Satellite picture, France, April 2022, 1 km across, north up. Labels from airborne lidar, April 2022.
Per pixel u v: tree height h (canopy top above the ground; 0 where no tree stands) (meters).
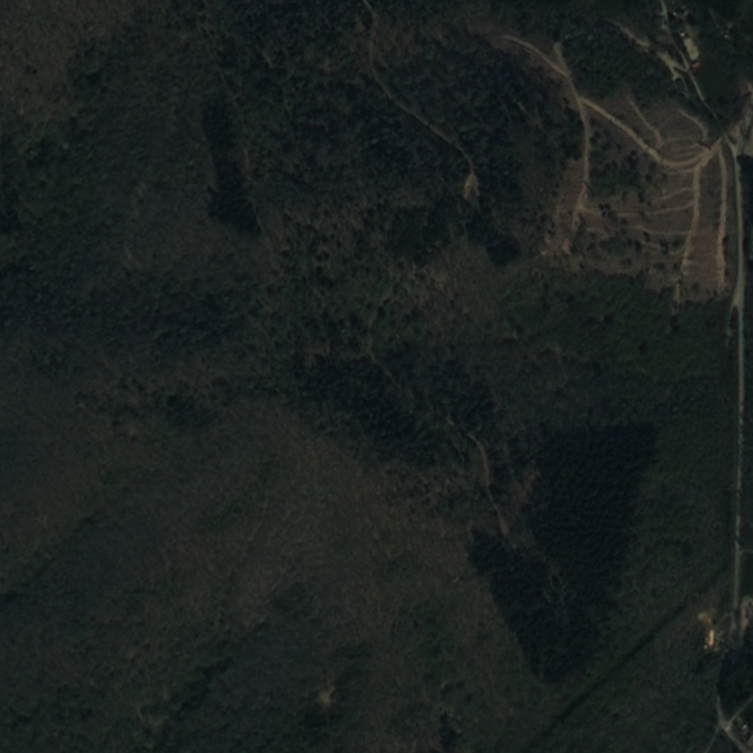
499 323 11
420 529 16
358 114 25
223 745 20
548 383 27
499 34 0
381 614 12
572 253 17
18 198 34
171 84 12
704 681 15
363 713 14
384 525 14
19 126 19
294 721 12
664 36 9
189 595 16
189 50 17
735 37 12
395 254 18
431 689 24
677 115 0
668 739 19
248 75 16
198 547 12
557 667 31
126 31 18
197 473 12
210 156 21
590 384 26
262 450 12
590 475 36
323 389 23
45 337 15
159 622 13
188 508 8
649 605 17
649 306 14
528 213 20
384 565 13
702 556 14
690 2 19
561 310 14
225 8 19
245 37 22
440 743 25
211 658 20
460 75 9
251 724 12
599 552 35
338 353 19
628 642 23
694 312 15
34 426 12
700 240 0
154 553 19
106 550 16
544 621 26
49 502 23
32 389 13
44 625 17
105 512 19
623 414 15
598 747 18
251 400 11
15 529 19
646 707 13
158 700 16
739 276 0
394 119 29
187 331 24
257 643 17
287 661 11
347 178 20
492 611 14
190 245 13
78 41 17
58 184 18
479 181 0
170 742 18
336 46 22
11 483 20
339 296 20
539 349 20
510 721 17
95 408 16
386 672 11
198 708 16
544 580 22
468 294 22
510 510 22
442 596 17
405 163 19
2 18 12
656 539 14
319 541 9
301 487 11
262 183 18
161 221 7
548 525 31
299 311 24
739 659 26
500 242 34
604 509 37
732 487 10
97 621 10
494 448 27
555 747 16
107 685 12
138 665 16
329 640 8
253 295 20
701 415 9
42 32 13
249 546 10
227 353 16
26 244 24
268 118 20
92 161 19
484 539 26
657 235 0
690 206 0
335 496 10
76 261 12
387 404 11
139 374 15
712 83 0
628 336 14
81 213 20
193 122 16
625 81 18
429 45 31
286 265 18
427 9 20
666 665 16
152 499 13
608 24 0
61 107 16
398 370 20
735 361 12
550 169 22
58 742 18
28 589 19
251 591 7
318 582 10
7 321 18
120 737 22
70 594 13
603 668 16
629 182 15
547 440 27
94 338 19
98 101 22
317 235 18
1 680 22
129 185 15
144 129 22
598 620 20
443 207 22
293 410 14
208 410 18
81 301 26
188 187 15
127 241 14
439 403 22
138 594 11
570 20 20
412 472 12
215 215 22
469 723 25
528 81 32
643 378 21
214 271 19
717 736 28
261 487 14
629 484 30
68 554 18
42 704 19
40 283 17
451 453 13
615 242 15
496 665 22
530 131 32
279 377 14
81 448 20
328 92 24
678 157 0
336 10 20
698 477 14
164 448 16
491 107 8
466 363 27
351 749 12
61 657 8
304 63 19
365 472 12
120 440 22
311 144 29
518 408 25
